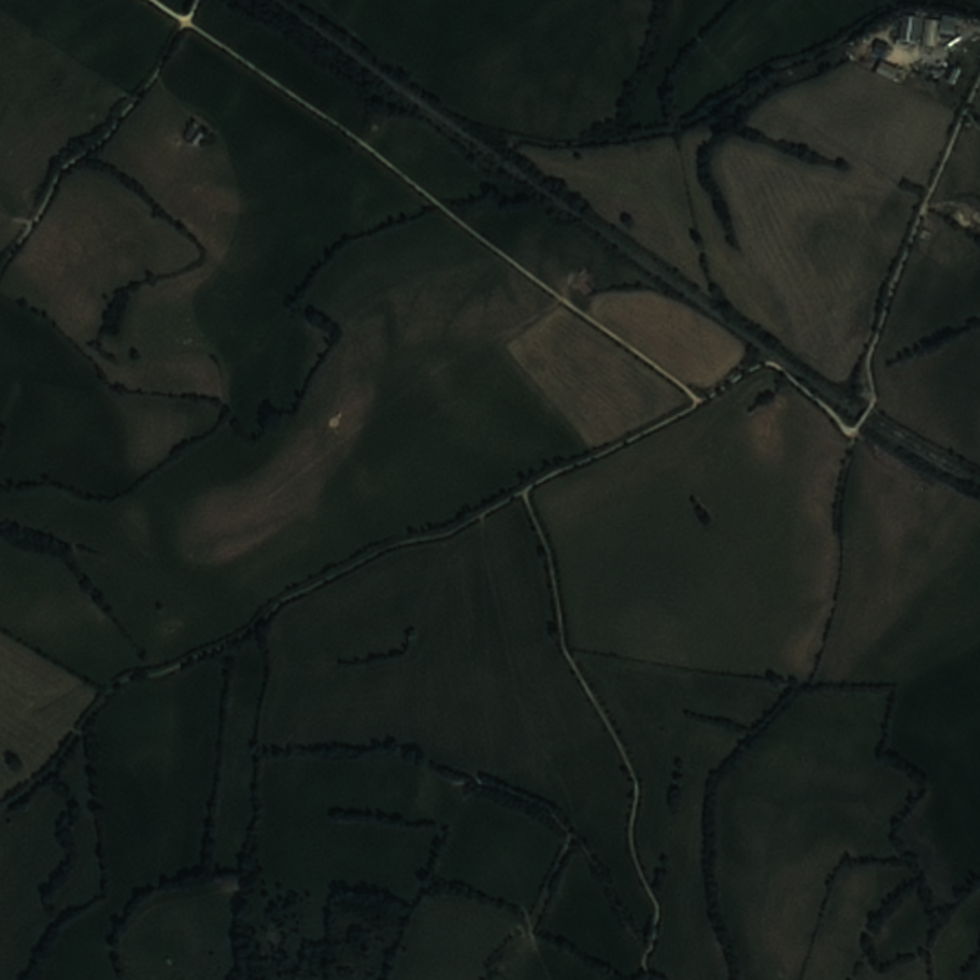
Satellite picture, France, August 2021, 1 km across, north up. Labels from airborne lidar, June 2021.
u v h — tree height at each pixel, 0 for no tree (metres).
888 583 0
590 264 0
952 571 0
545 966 0
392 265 0
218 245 0
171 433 0
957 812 0
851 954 0
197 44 0
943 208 0
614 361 0
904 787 0
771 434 0
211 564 0
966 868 0
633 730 0
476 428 0
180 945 0
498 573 0
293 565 0
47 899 17
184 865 0
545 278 0
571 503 0
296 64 0
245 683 0
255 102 0
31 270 0
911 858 10
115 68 0
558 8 0
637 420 0
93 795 13
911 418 0
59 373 0
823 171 0
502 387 0
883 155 0
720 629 0
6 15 0
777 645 0
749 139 6
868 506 0
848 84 0
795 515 0
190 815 0
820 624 0
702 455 0
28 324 0
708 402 7
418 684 0
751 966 0
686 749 0
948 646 0
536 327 0
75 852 15
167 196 0
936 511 0
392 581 0
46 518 0
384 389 0
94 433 0
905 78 0
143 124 0
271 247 0
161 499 0
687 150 0
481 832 0
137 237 0
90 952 0
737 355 0
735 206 0
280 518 0
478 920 0
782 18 0
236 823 0
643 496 0
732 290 0
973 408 0
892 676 0
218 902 0
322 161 0
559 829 9
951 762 0
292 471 0
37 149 0
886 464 0
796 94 0
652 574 0
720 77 0
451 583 0
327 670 0
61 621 0
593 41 0
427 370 0
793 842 0
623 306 0
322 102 0
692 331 0
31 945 0
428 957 0
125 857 0
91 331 0
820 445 0
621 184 0
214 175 0
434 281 0
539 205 10
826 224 0
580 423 0
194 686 0
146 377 0
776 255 0
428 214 6
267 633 11
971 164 0
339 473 0
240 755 0
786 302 0
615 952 0
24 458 0
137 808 0
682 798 10
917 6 9
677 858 0
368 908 12
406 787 0
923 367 0
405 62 0
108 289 0
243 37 0
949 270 0
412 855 0
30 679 0
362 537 0
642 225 0
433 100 12
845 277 0
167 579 0
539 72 0
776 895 0
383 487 0
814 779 0
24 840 0
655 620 0
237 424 11
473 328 0
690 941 0
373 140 0
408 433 0
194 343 0
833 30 0
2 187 0
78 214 0
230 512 0
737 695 0
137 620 0
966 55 0
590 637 0
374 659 11
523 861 0
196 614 0
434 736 0
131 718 0
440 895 12
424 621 0
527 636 0
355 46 12
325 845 0
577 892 0
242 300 0
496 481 0
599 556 0
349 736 0
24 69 0
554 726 0
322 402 0
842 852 0
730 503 0
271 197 0
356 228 0
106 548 0
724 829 0
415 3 0
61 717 0
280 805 0
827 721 0
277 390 0
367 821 7
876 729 0
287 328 0
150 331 0
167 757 0
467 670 0
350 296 0
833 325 0
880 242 0
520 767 0
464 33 0
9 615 0
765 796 0
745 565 0
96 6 0
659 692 0
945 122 0
